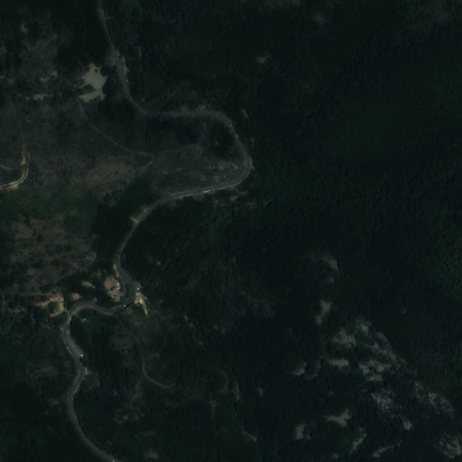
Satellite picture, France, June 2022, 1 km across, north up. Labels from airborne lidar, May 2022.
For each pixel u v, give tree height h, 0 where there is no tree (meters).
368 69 18
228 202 8
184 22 8
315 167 17
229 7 11
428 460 9
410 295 19
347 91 17
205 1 13
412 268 16
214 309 7
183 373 8
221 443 7
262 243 16
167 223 20
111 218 14
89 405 17
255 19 19
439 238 15
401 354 14
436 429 15
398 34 7
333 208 14
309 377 10
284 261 19
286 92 23
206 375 7
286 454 25
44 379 10
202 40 11
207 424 16
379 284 19
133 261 23
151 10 7
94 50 24
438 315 20
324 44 18
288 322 13
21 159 0
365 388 15
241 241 13
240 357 15
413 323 14
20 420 10
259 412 23
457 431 13
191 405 15
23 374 8
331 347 18
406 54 13
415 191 22
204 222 17
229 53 22
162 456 14
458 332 15
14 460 14
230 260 10
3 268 15
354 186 6
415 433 15
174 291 13
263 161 16
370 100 17
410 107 20
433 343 14
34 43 7
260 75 18
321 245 21
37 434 7
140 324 0
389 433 19
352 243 20
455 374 6
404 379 15
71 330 8
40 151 0
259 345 19
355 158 18
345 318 11
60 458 14
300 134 21
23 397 19
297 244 18
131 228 20
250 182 7
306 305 13
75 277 7
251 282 8
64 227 0
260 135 12
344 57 23
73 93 10
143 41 21
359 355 14
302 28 15
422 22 6
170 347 9
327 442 18
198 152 0
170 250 18
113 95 7
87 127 7
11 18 12
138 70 16
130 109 21
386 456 15
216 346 8
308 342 14
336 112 18
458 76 17
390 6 19
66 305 8
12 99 12
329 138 15
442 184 17
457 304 13
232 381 6
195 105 8
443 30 15
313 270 15
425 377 7
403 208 18
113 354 15
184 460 18
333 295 14
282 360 20
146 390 9
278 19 13
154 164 0
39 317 22
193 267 11
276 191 16
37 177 0
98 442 17
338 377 18
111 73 12
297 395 28
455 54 17
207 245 16
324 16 7
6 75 7
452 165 16
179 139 8
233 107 13
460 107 15
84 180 0
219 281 8
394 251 21
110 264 10
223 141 14
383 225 24
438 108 18
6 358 8
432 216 26
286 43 23
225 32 23
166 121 9
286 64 15
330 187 18
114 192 8
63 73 7
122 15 10
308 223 19
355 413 8
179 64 17
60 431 14
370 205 24
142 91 12
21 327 17
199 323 12
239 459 18
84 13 18
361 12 16
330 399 9
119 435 17
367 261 20
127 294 5
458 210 16
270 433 24
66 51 19
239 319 10
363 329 10
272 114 25
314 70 14
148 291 15
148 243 20
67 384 7
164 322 8
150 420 13
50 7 14
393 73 17
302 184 19
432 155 24
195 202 14
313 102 18
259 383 16
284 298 12
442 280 8
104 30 15
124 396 6
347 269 19
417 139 21
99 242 8
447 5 6
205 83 17
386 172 23
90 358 11
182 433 22
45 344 10
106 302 6
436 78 16
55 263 13
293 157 18
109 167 0
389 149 16
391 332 18
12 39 10
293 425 19
